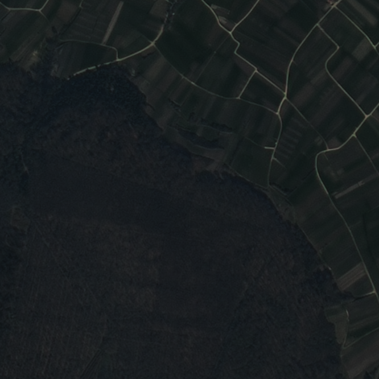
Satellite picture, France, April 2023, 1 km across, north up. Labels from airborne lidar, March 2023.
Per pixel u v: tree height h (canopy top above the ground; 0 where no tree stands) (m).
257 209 23
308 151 0
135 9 0
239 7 0
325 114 0
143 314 17
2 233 19
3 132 27
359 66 0
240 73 0
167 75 0
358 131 0
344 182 0
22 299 19
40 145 19
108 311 14
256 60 0
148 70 0
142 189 14
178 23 0
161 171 23
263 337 24
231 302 15
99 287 17
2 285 27
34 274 19
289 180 0
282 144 0
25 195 20
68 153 17
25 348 17
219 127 7
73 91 15
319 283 24
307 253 30
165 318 16
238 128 0
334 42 0
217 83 0
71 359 15
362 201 0
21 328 22
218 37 0
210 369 14
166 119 0
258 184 0
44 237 15
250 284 18
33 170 10
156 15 0
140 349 18
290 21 0
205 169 0
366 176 0
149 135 19
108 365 0
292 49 0
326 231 0
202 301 16
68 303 18
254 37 0
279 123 0
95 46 0
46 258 18
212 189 28
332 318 0
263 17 0
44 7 0
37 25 0
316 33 0
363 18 0
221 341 16
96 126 22
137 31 0
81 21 0
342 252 0
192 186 19
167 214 16
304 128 0
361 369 0
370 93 0
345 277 0
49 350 16
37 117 21
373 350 0
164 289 12
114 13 0
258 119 0
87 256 15
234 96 0
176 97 0
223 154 0
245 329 24
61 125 7
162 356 19
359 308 0
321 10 0
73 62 0
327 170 0
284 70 0
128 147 29
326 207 0
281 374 24
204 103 0
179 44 0
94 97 15
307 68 0
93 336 18
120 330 19
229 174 0
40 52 0
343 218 0
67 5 0
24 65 0
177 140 0
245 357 18
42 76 28
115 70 18
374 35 0
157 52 0
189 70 0
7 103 25
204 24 0
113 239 14
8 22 0
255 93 0
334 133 0
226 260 12
